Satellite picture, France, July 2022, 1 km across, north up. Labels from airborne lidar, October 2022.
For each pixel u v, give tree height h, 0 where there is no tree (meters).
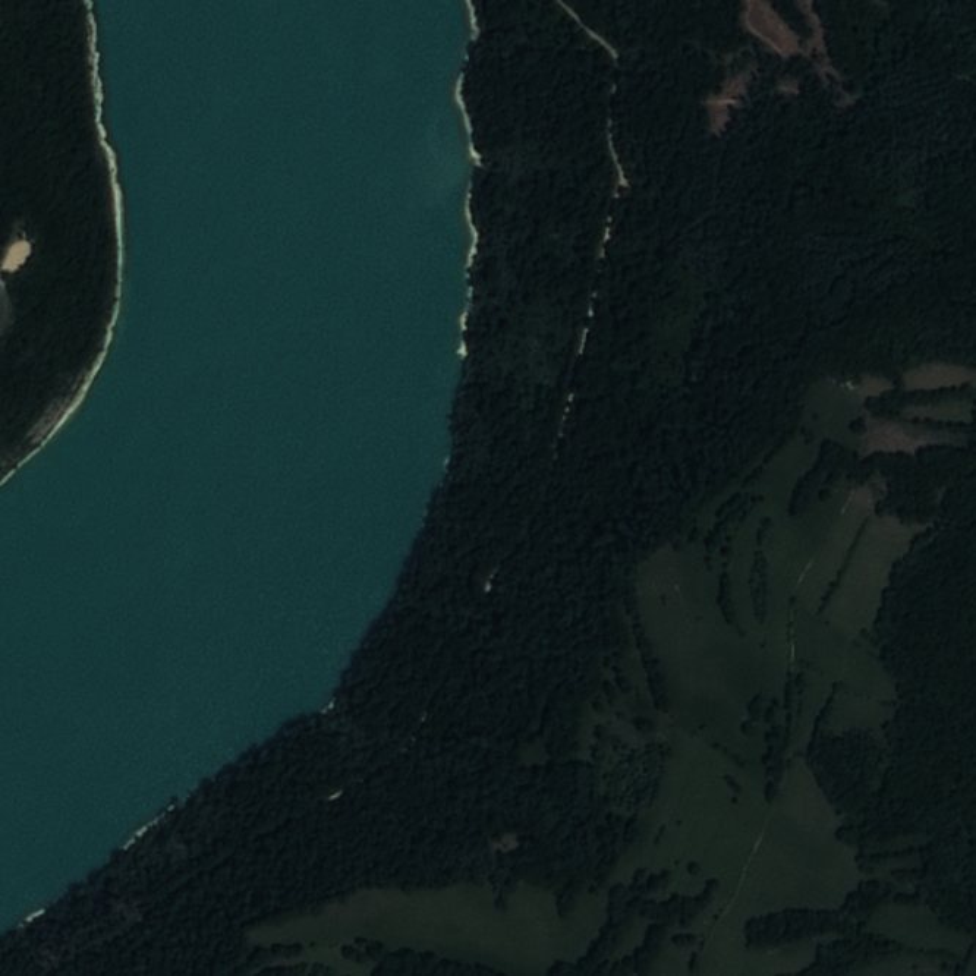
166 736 0
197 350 0
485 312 10
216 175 0
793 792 0
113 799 0
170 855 7
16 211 13
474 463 10
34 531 0
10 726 0
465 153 0
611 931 19
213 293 0
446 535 16
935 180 14
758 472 12
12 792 0
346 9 0
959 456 16
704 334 15
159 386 0
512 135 16
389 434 0
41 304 9
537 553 18
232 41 0
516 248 7
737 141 19
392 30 0
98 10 0
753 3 0
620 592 11
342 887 23
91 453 0
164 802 0
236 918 25
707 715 0
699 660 0
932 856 11
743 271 20
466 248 0
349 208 0
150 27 0
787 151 13
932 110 18
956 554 12
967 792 12
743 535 0
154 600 0
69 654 0
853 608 0
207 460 0
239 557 0
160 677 0
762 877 0
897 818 13
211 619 0
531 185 10
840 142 20
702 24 19
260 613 0
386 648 16
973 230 19
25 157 14
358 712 22
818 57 12
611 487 11
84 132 12
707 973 0
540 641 17
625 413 22
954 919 14
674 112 15
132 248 0
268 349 0
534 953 0
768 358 19
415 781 18
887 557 0
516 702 21
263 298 0
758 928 13
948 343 10
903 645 15
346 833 18
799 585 0
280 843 22
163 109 0
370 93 0
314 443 0
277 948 14
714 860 0
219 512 0
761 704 11
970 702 12
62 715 0
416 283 0
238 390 0
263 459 0
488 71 21
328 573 0
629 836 14
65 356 11
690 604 0
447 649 15
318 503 0
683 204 22
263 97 0
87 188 16
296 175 0
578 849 27
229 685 0
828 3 20
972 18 16
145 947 23
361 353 0
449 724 8
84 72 12
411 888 14
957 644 14
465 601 19
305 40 0
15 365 8
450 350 0
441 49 0
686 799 0
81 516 0
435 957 18
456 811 26
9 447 7
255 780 11
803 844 0
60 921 8
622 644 21
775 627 0
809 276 21
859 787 15
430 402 0
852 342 12
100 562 0
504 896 12
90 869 0
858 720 0
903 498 13
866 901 17
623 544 6
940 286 27
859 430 14
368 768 10
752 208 19
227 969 12
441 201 0
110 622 0
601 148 14
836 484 9
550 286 14
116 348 0
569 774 19
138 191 0
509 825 24
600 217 10
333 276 0
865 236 21
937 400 12
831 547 0
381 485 0
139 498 0
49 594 0
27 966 10
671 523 24
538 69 15
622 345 9
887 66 18
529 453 21
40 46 12
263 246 0
